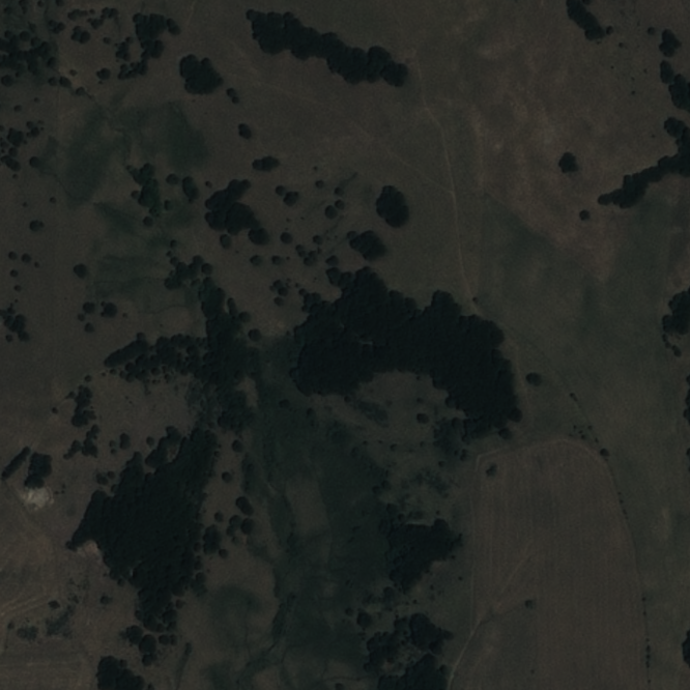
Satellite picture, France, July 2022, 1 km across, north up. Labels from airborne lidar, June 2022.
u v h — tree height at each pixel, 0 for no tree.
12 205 0
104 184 0
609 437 0
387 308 18
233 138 0
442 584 0
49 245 0
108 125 0
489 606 0
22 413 0
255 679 0
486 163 0
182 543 20
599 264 0
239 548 0
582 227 0
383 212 19
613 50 0
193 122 0
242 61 0
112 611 0
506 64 0
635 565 0
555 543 0
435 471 0
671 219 0
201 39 0
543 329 0
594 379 0
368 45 0
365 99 0
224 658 0
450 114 0
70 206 0
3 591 0
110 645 0
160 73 0
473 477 0
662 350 0
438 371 22
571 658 0
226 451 0
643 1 0
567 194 0
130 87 0
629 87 0
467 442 9
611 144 0
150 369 9
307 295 8
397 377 0
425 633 19
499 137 0
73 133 0
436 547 18
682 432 0
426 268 0
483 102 0
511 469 0
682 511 0
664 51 14
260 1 0
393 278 0
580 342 0
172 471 17
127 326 0
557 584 0
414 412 0
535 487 0
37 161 10
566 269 0
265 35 18
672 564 0
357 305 20
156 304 0
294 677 0
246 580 0
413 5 0
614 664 0
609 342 0
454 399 18
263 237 15
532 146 0
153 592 15
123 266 0
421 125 0
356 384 25
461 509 0
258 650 0
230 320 13
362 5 0
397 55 0
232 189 15
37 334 0
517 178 0
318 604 0
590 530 0
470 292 0
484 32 0
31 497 0
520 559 0
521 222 0
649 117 0
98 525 19
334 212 10
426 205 0
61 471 0
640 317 0
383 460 0
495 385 18
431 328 20
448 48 0
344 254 0
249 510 16
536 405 0
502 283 0
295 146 0
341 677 0
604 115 0
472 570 0
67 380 0
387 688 14
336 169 0
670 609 0
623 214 0
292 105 0
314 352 23
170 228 0
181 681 0
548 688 0
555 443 0
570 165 11
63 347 0
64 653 0
